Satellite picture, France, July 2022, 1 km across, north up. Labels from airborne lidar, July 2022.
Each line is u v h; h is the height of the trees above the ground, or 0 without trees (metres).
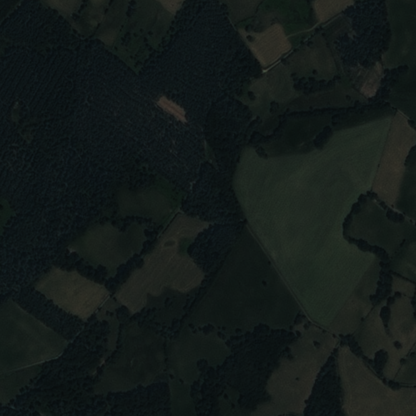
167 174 16
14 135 18
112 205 11
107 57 20
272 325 0
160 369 0
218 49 21
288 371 0
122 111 18
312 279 0
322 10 0
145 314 12
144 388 17
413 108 0
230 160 23
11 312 0
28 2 19
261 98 0
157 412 21
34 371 0
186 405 0
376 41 18
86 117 20
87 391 25
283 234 0
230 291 0
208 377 23
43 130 10
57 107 16
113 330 0
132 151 20
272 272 0
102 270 23
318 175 0
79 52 21
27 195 18
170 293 0
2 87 19
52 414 6
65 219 18
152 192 0
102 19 0
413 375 0
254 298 0
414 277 0
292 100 0
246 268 0
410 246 0
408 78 0
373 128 0
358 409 0
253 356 15
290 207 0
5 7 8
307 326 11
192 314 10
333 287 0
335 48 0
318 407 23
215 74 20
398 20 0
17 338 0
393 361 0
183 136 18
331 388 22
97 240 0
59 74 15
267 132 0
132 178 14
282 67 0
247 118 26
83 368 19
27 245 29
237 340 16
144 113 17
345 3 0
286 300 0
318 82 10
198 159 22
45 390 22
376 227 0
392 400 0
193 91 19
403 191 0
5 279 22
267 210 0
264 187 0
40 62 18
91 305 0
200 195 22
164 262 0
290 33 0
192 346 0
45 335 0
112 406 11
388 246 0
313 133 0
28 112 18
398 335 0
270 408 0
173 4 0
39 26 15
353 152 0
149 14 0
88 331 7
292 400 0
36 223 23
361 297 0
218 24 22
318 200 0
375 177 0
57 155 22
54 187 21
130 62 0
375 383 0
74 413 12
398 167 0
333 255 0
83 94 20
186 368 0
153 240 22
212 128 25
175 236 0
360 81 0
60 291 0
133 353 0
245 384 19
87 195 13
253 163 0
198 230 0
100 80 24
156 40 0
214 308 0
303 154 0
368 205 0
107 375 0
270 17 0
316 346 12
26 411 22
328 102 0
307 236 0
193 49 20
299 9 0
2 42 7
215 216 21
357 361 0
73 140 16
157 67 20
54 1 0
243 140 15
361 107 10
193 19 17
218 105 19
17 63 16
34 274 35
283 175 0
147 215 0
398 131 0
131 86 20
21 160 14
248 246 0
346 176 0
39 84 16
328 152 0
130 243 0
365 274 0
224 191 23
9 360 0
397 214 12
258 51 0
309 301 0
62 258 25
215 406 20
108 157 25
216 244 29
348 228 15
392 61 0
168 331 14
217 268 13
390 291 19
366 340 0
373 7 20
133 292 0
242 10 0
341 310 0
